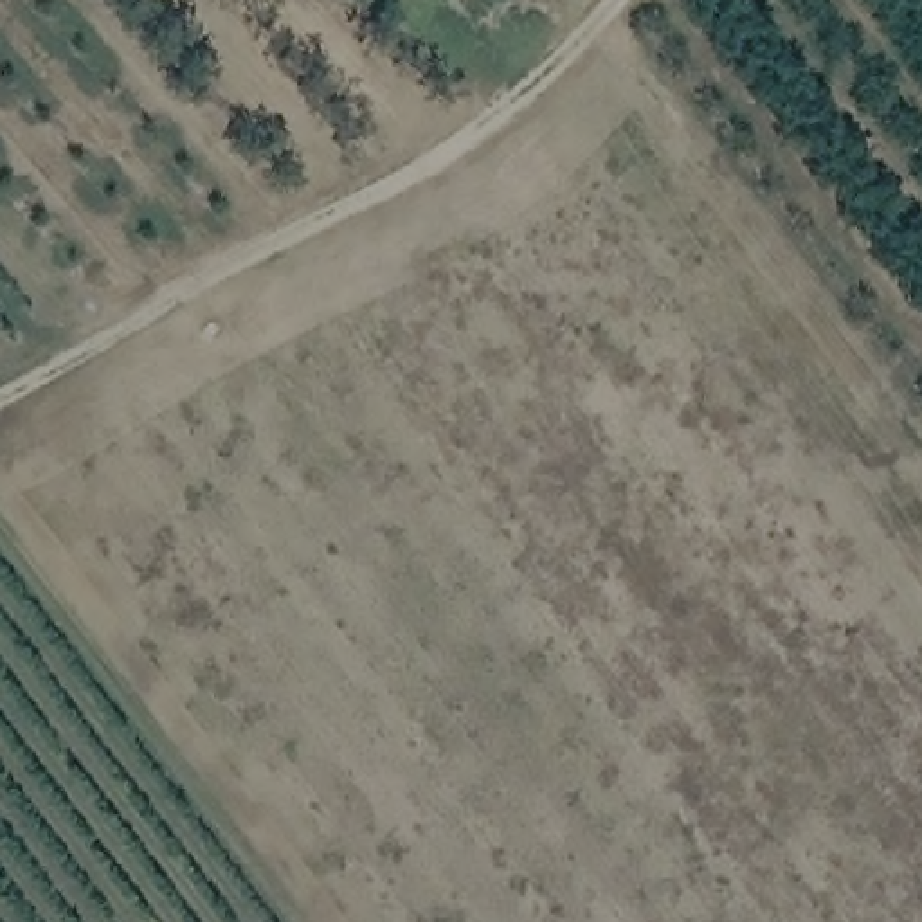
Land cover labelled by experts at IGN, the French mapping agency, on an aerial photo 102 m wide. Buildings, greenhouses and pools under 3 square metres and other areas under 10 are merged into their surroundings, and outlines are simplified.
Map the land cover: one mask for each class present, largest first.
<instances>
[{"label":"agricultural land","instance_id":"1","mask_svg":"<svg viewBox=\"0 0 922 922\"><path fill-rule=\"evenodd\" d=\"M598 0H396V29L414 40H432L439 47L443 68H465V79L486 83L493 94L515 86L562 36H569L591 14ZM717 140L692 119V108L659 76V65L641 54L630 32V14L605 25L601 36L562 72L558 83H551L508 126L479 140L472 151L454 158L436 176H425L407 191L364 212H353L321 234H310L281 252H270L241 274H231L220 285L205 288L198 299L173 303L151 324L115 339L108 349L94 357H83L79 364H72L47 385L32 389L29 396L14 403L0 400V558L18 565V573L47 601L54 619L83 648L86 663L122 702L130 720L144 731L148 746L187 789L194 807L223 836L231 854L245 864L252 882L285 915V922H922V450H911L900 436L908 396L893 385L886 349L843 317L832 292L796 256L778 220L746 184H738L735 176L710 173V155Z\"/></svg>","mask_w":922,"mask_h":922},{"label":"herbaceous vegetation","instance_id":"2","mask_svg":"<svg viewBox=\"0 0 922 922\"><path fill-rule=\"evenodd\" d=\"M194 22L202 25L205 40L220 58V76L209 79L205 101H191L187 94H176L166 83L162 68L151 61L140 36L119 22V11L108 0H0V267L32 299L29 313H14L11 321L0 317V385L29 375L58 349H68L79 339L112 328L140 303H148L158 285L191 274L194 263L209 256L220 241H245L277 231L321 205H331L360 187H371L400 173L436 144L461 133L479 108L493 101V94L486 83L465 79L450 83L447 97H436L432 86L411 65H393V54L382 50L375 40L357 43V22L346 18V7L339 0H285L277 7V22L292 29V36H321L328 76L335 79V86L342 94H364L371 101L375 122L367 126V137L335 144L328 119L310 112L295 79L281 72L263 29L245 25V7L238 0H202L194 7ZM238 104L285 119L292 155L303 162V187L277 191L270 184V162H249L227 140V119ZM630 14V32L641 54L659 65V76L692 108V119L717 140L710 155V173L735 176L738 184H746L778 220L796 256L832 292L843 317L886 349L893 385L908 396L900 436L911 450H922V310L908 299L900 281L872 256V241L839 212L836 187L821 184L807 169L803 144L782 137L774 130L771 108L742 83V76L731 65H720L713 43L706 40V29L684 7L688 0H627ZM774 11L778 32L792 40L789 58L807 61V68H814V86H832V104L846 112V137L868 140V155L879 158V184H900V191L915 198L900 212L904 231H922V184L911 173V158L904 155V148L893 137H886L882 122L850 97L854 61L839 58L832 79H825L818 72L821 47L814 25L803 22L785 0H764ZM839 18L861 25L864 47L872 54H879L890 43V36L882 32L864 0H846L839 7Z\"/></svg>","mask_w":922,"mask_h":922},{"label":"deciduous trees","instance_id":"3","mask_svg":"<svg viewBox=\"0 0 922 922\"><path fill-rule=\"evenodd\" d=\"M119 11V22L140 36L151 61L162 68L166 83L176 94H187L191 101H205L209 79L220 76V58L205 40L202 25L194 22V7L202 0H108ZM245 7V25L263 29L281 72L295 79L310 112L328 119L335 144L367 137V126L375 122L371 101L364 94H342L335 86V79L328 76L321 36H292V29L277 22V7L285 0H238ZM346 7V18L357 22V43L375 40L382 50L393 54V65H411L432 86L436 97H447L450 83L465 79V68H443L439 47L432 40H414L396 29V0H339ZM684 7L706 29V40L713 43L720 65H731L742 76V83L771 108L774 130L782 137L803 144L807 169L821 184L836 187L839 212L872 241V256L900 281L908 299L922 310V231H904L900 212L915 198L900 191V184H879V158L868 155V140L846 137V112L832 104V86H814V68H807V61L789 58L792 40L778 32L774 11L764 0H688ZM803 22L814 25L821 47L818 72L825 79H832L839 58L854 61L850 97L882 122L886 137H893L904 148V155L911 158V173L922 184V0H864L882 32L890 36V43L879 54H872L864 47L861 25L839 18V7L846 0H785ZM227 140L249 162H270V184L277 191L303 187V162L292 155L285 119L238 104L227 119ZM32 299L0 267V317L11 321L14 313H29ZM0 922H285V915L252 882L245 864L231 854L223 836L194 807L187 789L148 746L144 731L130 720L122 702L86 663L83 648L54 619L47 601L18 573V565L0 558Z\"/></svg>","mask_w":922,"mask_h":922},{"label":"pervious surface","instance_id":"4","mask_svg":"<svg viewBox=\"0 0 922 922\"><path fill-rule=\"evenodd\" d=\"M630 14L627 0H598L591 14L569 36H562L515 86L493 94V101L479 108L461 133L436 144L400 173L371 187H360L331 205H321L277 231L245 241H220L209 256L194 263L191 274L158 285L148 303H140L112 328L79 339L68 349H58L29 375L0 385V400L14 403L29 396L32 389L47 385L72 364H79L83 357H94L108 349L115 339L151 324L173 303L198 299L205 288L220 285L231 274H241L270 252H281L310 234H321L353 212H364L407 191L425 176H436L454 158L472 151L479 140L508 126L551 83H558L562 72L601 36L605 25Z\"/></svg>","mask_w":922,"mask_h":922}]
</instances>
